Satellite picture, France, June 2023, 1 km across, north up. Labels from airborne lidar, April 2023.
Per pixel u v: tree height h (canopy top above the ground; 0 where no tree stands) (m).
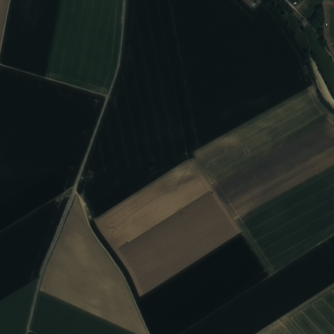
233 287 0
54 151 0
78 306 0
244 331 0
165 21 0
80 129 0
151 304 0
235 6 0
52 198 0
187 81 0
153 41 0
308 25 0
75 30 0
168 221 0
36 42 0
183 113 0
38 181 0
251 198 0
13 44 0
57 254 0
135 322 0
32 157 0
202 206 0
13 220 0
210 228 0
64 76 0
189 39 0
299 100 0
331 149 0
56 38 0
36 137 0
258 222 0
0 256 0
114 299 0
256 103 0
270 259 0
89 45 0
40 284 0
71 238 0
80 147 0
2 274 0
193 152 0
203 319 0
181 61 0
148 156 0
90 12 0
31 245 0
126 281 0
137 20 0
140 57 0
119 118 0
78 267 0
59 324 0
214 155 0
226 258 0
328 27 0
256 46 0
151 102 0
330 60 0
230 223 0
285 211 0
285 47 0
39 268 0
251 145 0
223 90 0
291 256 0
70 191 0
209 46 0
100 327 0
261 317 0
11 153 0
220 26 0
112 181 0
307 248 0
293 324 0
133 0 0
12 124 0
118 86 0
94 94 0
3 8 0
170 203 0
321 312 0
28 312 0
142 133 0
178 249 0
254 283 0
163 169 0
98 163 0
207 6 0
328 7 0
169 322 0
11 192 0
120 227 0
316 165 0
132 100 0
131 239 0
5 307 0
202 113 0
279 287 0
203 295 0
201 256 0
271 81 0
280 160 0
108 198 0
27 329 0
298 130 0
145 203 0
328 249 0
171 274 0
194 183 0
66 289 0
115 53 0
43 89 0
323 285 0
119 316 0
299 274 0
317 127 0
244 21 0
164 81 0
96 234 0
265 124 0
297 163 0
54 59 0
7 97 0
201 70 0
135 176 0
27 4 0
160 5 0
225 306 0
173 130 0
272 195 0
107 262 0
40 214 0
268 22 0
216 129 0
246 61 0
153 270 0
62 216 0
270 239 0
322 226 0
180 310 0
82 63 0
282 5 12
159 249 0
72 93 0
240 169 0
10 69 0
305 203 0
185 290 0
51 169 0
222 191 0
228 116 0
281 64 0
